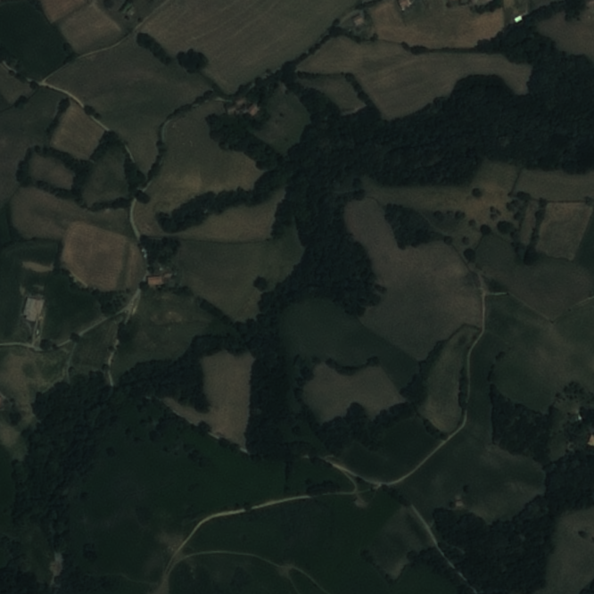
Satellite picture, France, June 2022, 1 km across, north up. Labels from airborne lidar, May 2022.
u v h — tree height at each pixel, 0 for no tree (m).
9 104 0
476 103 18
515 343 0
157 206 0
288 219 21
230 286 0
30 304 0
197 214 8
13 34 0
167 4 0
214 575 0
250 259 0
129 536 0
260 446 24
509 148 20
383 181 11
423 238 8
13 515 12
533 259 12
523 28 19
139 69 0
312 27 0
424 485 0
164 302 0
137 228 0
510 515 0
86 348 0
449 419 0
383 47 0
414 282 0
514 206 11
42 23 0
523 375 0
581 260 0
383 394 0
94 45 0
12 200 0
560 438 0
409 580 0
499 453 0
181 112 12
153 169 10
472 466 0
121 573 0
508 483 0
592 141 22
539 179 0
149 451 0
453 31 0
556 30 0
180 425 12
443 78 0
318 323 0
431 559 11
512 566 14
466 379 10
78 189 12
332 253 23
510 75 0
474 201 0
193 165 0
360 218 0
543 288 0
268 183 22
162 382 24
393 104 0
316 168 12
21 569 13
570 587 0
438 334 0
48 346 16
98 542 0
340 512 0
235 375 0
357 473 0
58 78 0
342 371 14
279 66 0
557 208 0
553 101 15
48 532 10
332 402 0
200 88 0
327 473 0
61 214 0
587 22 0
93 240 0
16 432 0
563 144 30
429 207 0
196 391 17
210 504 0
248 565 0
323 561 0
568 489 27
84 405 10
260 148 18
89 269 0
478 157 16
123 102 0
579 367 0
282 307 8
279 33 0
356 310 23
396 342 0
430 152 22
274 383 9
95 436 15
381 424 16
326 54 0
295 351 0
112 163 0
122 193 0
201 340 18
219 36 0
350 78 12
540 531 14
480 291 0
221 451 0
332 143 22
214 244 0
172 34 0
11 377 0
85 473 7
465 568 17
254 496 0
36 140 0
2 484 0
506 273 0
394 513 0
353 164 14
